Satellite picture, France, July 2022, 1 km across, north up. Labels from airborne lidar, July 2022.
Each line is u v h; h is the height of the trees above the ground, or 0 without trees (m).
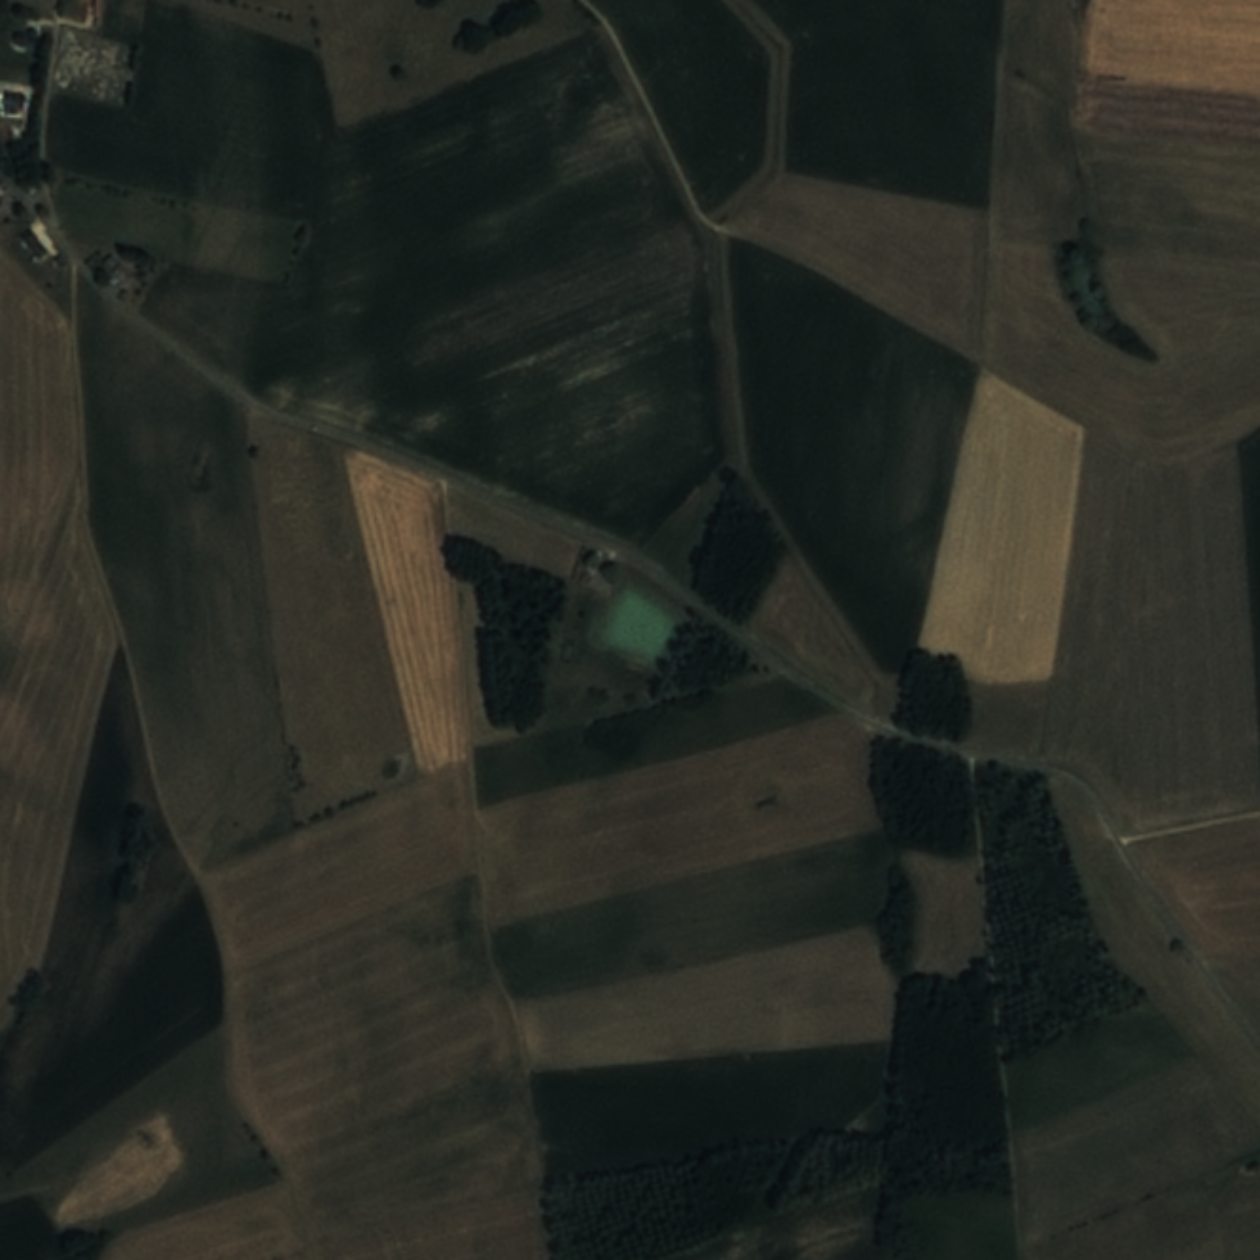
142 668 0
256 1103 0
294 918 0
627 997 0
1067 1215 0
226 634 0
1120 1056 0
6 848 0
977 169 0
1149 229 0
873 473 0
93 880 0
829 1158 20
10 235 0
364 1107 0
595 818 0
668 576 0
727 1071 0
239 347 0
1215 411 0
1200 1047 0
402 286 0
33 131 11
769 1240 0
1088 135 0
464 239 0
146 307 0
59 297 0
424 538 0
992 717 0
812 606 0
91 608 0
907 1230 6
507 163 0
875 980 0
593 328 0
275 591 0
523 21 19
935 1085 20
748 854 0
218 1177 0
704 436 0
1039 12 0
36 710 0
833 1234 0
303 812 0
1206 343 0
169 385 0
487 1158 0
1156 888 0
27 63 0
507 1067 0
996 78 0
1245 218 0
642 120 0
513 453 0
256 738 0
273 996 0
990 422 0
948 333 0
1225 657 0
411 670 0
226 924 0
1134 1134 0
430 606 0
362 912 0
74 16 0
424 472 0
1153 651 0
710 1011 0
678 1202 22
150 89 0
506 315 0
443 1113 0
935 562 0
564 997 0
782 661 0
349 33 0
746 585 19
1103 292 10
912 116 0
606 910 0
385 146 0
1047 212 0
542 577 21
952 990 6
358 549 0
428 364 0
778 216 0
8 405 0
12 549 0
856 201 0
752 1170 18
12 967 0
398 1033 0
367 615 0
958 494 0
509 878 0
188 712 0
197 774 0
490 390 0
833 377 0
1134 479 0
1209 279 0
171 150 0
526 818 0
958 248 0
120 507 0
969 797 18
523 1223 0
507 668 20
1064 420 0
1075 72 0
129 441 0
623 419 0
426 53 0
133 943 0
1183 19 0
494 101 0
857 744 0
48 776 0
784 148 0
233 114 0
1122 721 0
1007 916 22
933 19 0
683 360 0
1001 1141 16
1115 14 0
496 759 0
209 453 0
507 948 0
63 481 0
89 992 0
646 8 0
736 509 17
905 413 0
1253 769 0
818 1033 0
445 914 0
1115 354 0
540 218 0
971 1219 0
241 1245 0
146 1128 0
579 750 0
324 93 0
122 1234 0
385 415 0
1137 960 0
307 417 0
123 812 0
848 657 0
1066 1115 0
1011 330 0
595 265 0
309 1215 0
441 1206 0
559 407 0
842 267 0
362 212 0
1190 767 0
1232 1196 0
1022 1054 9
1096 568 0
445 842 0
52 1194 0
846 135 0
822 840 0
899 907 15
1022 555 0
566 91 0
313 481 0
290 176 0
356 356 0
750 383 0
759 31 0
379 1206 0
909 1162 19
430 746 0
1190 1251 0
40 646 0
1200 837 0
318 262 0
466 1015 0
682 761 0
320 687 0
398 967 0
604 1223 21
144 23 0
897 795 6
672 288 0
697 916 0
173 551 0
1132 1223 0
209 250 0
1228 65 0
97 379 0
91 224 0
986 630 0
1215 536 0
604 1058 0
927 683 19
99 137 0
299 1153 0
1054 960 6
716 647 17
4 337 0
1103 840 0
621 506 0
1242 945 0
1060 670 0
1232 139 0
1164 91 0
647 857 0
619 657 0
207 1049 0
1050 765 0
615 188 0
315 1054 0
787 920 0
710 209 0
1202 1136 0
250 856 0
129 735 0
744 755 0
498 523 0
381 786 0
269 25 0
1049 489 0
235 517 0
